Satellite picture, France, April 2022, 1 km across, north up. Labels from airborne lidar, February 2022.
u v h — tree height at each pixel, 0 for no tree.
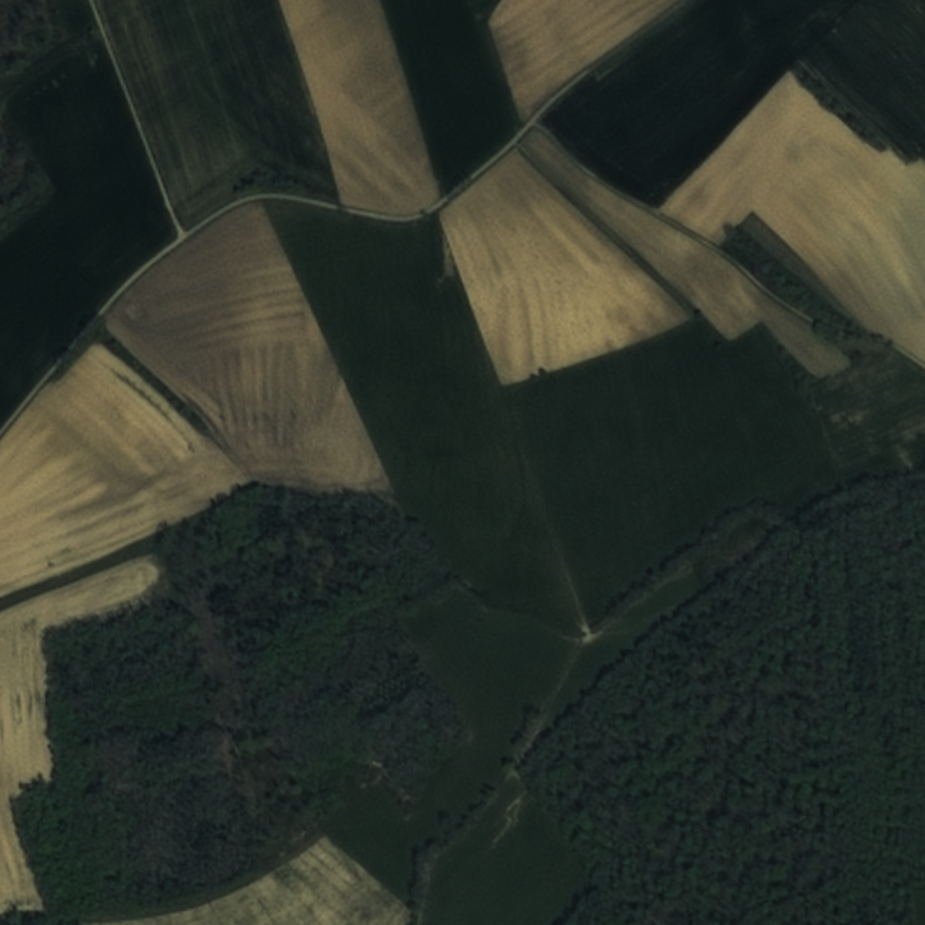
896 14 0
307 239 0
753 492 0
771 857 23
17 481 0
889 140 0
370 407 0
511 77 0
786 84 0
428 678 7
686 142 0
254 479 0
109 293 0
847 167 0
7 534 0
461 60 0
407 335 0
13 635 0
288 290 0
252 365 0
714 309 0
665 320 0
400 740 25
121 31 0
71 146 0
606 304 0
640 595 18
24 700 0
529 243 0
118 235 0
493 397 0
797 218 0
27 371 0
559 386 0
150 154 0
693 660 17
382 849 0
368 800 0
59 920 21
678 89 0
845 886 23
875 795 21
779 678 22
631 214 0
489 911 0
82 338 13
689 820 9
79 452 0
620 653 0
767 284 0
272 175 16
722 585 16
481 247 0
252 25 0
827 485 0
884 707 21
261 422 0
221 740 21
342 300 0
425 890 20
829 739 22
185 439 0
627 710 18
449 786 0
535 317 0
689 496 0
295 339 0
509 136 0
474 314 0
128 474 0
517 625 0
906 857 19
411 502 0
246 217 0
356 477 0
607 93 0
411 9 0
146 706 11
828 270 0
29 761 0
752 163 0
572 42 0
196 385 0
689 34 0
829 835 18
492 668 0
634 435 0
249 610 15
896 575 18
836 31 0
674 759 22
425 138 0
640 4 0
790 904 18
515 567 0
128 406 0
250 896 0
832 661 27
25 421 0
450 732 23
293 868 0
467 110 0
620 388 0
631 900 23
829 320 12
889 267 0
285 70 0
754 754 22
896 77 0
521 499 0
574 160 0
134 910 20
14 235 0
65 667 11
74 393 0
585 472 0
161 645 18
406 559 11
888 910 19
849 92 0
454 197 13
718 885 22
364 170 0
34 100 0
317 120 0
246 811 20
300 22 0
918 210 0
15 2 0
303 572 18
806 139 0
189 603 25
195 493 0
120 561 0
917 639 21
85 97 0
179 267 0
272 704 23
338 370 0
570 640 0
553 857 0
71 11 0
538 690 0
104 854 26
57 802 19
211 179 0
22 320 0
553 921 0
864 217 0
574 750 23
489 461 0
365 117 0
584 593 0
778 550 16
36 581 0
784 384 0
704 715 22
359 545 17
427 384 0
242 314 0
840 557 20
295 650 23
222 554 24
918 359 0
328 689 14
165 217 0
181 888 17
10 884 0
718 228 0
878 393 0
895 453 0
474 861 0
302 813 0
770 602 16
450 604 0
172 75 0
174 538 26
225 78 0
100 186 0
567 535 0
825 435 0
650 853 9
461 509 0
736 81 0
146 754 20
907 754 19
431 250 0
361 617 24
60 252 0
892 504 19
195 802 23
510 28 0
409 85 0
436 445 0
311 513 15
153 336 0
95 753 22
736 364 0
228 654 0
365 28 0
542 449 0
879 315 0
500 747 0
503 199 0
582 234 0
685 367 0
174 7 0
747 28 0
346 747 28
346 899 0
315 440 0
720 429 0
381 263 0
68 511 0
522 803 0
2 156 31
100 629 19
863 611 23
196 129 0
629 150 0
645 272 0
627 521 0
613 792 21
